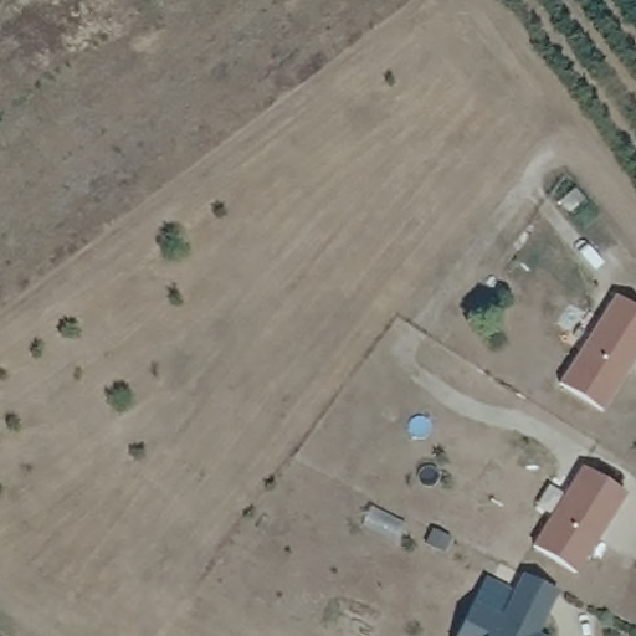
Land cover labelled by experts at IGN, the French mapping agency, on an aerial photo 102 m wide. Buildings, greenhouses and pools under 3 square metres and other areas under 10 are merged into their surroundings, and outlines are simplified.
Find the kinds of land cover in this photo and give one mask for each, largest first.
<instances>
[{"label":"agricultural land","instance_id":"1","mask_svg":"<svg viewBox=\"0 0 636 636\"><path fill-rule=\"evenodd\" d=\"M557 169H569L576 181L586 184L591 199L599 206L606 209L621 226V231L611 239L606 248H611L621 263L611 278L614 286H621L619 296L636 303V189L631 176L614 159L609 144H604L594 122L581 112L576 99L557 77V72L532 47L527 27L504 5V0H0V636H298L293 629H253L246 616L231 609L221 591L201 589L196 574L206 566L216 542L243 512V507H248L251 492L273 472L276 462L308 427L320 402L328 400V395L340 385L343 375L365 350L370 338L383 328L390 313H407L417 318V323L435 330L445 306L462 303V298L475 286L499 283L504 263L517 253L514 241L529 226L524 219L532 204L544 194V179L552 176ZM164 224H176L181 229V239L189 243V253L184 258H164L157 243L159 229ZM117 380L127 383L132 390V405L127 410H114L107 400V388ZM432 422L427 417H415L410 422V435L412 440H425L430 435Z\"/></svg>","mask_w":636,"mask_h":636},{"label":"herbaceous vegetation","instance_id":"2","mask_svg":"<svg viewBox=\"0 0 636 636\"><path fill-rule=\"evenodd\" d=\"M529 10L539 15L542 30L552 42L561 47L574 72L596 89L599 102L609 107V117L621 132H626L631 124L621 109L629 104V97L636 94V80L629 72V67L619 60V55L611 50V45L604 40L594 20H589L579 0H561L569 7L571 20H576L584 27V32L594 40L596 50L604 55L606 65L614 70L611 77L599 80L589 67H584L569 37L554 27L547 7L539 0H522ZM611 15L619 17L621 30L636 42V0H604ZM581 201L591 199L586 184L576 181L569 169H557L552 176L544 179V194L532 204L524 219L529 226L514 241L517 253L504 263L499 283L475 286L462 298V303L445 306L435 330L417 323V318L407 313H390L383 328L370 338L365 350L343 375L340 385L328 395V400L320 402L308 427L276 462L273 472L251 492L248 507H243V512L216 542L206 566L196 574L201 589L221 591L231 609L246 616L253 629H293L298 636H457L462 624L467 621L470 606L477 599V591L484 584V579L479 576L482 571L494 574L497 566H509L512 571H517V566L522 564L532 576L544 579L549 574L557 581V586L574 591L589 604L606 606L619 619L636 624V559L606 552V544L601 542L594 547V552H579V561L574 564L576 574L564 571L554 561L542 559L537 554V539L549 524V517L537 512V504L544 499L549 489L557 477V457L547 450V445L517 430H504L472 420L442 405L432 395V390L440 383H447L452 390L475 398L482 405L522 410L532 417H539L542 422L557 420L591 437L596 445L606 447L616 457L626 460L631 465V475L636 477V373L631 368L626 378H614L609 383L604 398L599 400L604 405V412H596L581 400L566 395V383L561 380L557 378V368L569 353V348L576 343V338L574 328L559 325L561 313L569 306H576L591 316L599 308L591 293L599 278L584 258L569 251V246L549 224L559 214L569 219V214ZM504 291H512V303L504 308L502 318L507 343L499 350H492L489 343L482 340L479 333L470 325L467 316L479 308L494 306L499 293ZM415 417H427L432 422L430 435L425 440H412L410 435V422ZM365 502H380L388 509L405 514V522H395L402 532V539L385 537L383 532L365 527ZM427 524H440L450 532V542L445 549H437L425 542ZM621 231V226L606 209L599 206L596 221L586 229L581 239L599 253L606 248L611 239Z\"/></svg>","mask_w":636,"mask_h":636},{"label":"building","instance_id":"3","mask_svg":"<svg viewBox=\"0 0 636 636\"><path fill-rule=\"evenodd\" d=\"M631 368L636 373V303L619 296L614 298V303L599 320L596 330L591 333L589 343L576 355V360L561 380L566 383V395L581 400L596 412H604V405L599 400L604 398L609 383L614 378H626ZM626 497L624 482H614L591 467H584L571 489H549L544 499L537 504V512L549 517V524L537 539V554L542 559L554 561L564 571L576 574L574 564L579 561V552H594V547L601 542L604 529L609 527V522L614 519L616 509ZM425 542L437 549H445L450 542V532L440 524H427ZM479 576L484 579V584L477 591V599L470 606L467 621L462 624L457 636H557V631L547 626V616L557 599V581L549 574L544 579L532 576L522 564L517 566V571H512L509 566H497L494 574L482 571Z\"/></svg>","mask_w":636,"mask_h":636},{"label":"pervious surface","instance_id":"4","mask_svg":"<svg viewBox=\"0 0 636 636\"><path fill-rule=\"evenodd\" d=\"M549 224L569 246V251L584 258L599 278L591 293L599 308L591 316L584 333L576 338V343L569 348V353L557 368V378L561 380L576 360V355L589 343L591 333L596 330L599 320L614 303V298L619 296L621 286H614L611 278L621 263L611 248H606L599 253L581 239L569 219L559 214ZM432 395L442 405L472 420L504 430H517L547 445V450L557 457V477L549 489H571L584 467H591L614 482H624L626 497L616 509L614 519L609 522V527L604 529L601 542L606 544V552L636 559V477L631 475V465L626 460L616 457L606 447L596 445L591 437L557 420L542 422L539 417H532L522 410L482 405L475 398L452 390L447 383H440L432 390ZM547 626L557 631V636H601L594 631L596 616L566 604L564 599H557L547 616Z\"/></svg>","mask_w":636,"mask_h":636},{"label":"deciduous trees","instance_id":"5","mask_svg":"<svg viewBox=\"0 0 636 636\"><path fill-rule=\"evenodd\" d=\"M504 5L527 27L532 47L557 72V77L576 99L581 112L594 122L604 144H609L614 159L631 176L636 189V94L629 97V104L621 109L631 124L626 132H621L609 117V107L599 102L596 89L574 72L561 47L552 42L542 30L539 15L529 10L522 0H504ZM547 7L554 27L569 37L584 67H589L599 80L611 77L614 70L606 65L604 55L596 50L594 40L584 32V27L576 20H571L569 7L561 0H539ZM589 20H594L604 40L611 45V50L619 55V60L629 67V72L636 80V42L621 30L619 17L611 15L604 0H579ZM599 206L591 199L581 201L569 214V219L581 239L586 229L596 221ZM157 243L164 258H184L189 253V243L181 239V229L176 224H164L159 229ZM512 303V291H504L499 293L494 306L479 308L467 316L470 325L479 333L482 340L489 343L492 350H499L507 343L502 318L504 308ZM107 400L114 410H127L132 405V390L127 383L117 380L107 388Z\"/></svg>","mask_w":636,"mask_h":636},{"label":"brushwood","instance_id":"6","mask_svg":"<svg viewBox=\"0 0 636 636\"><path fill-rule=\"evenodd\" d=\"M557 599H564L566 604L596 616L594 631L601 636H636V624L619 619L606 606L589 604L574 591L557 586Z\"/></svg>","mask_w":636,"mask_h":636},{"label":"greenhouse","instance_id":"7","mask_svg":"<svg viewBox=\"0 0 636 636\"><path fill-rule=\"evenodd\" d=\"M365 527L383 532L385 537L402 539V532L395 522H405V514L388 509L380 502H365Z\"/></svg>","mask_w":636,"mask_h":636},{"label":"impervious surface","instance_id":"8","mask_svg":"<svg viewBox=\"0 0 636 636\"><path fill-rule=\"evenodd\" d=\"M591 316L576 306H569L561 313L559 325L574 328L576 338L584 333Z\"/></svg>","mask_w":636,"mask_h":636}]
</instances>
